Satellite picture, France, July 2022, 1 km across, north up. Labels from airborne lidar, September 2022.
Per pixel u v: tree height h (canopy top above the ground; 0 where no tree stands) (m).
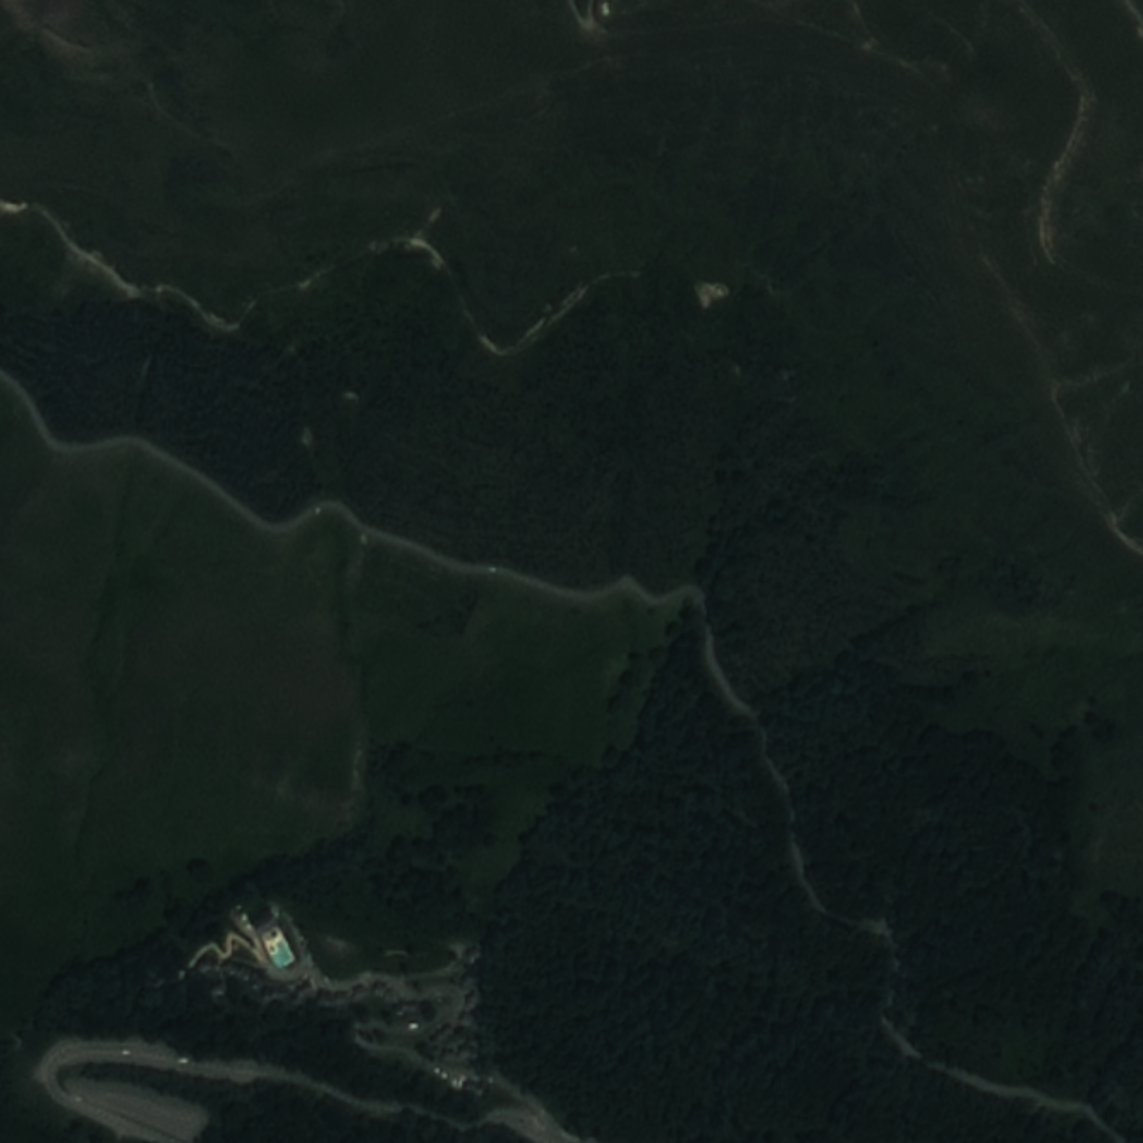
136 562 0
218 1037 21
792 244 0
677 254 0
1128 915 16
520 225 0
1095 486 0
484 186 0
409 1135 27
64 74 0
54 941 0
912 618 8
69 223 0
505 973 25
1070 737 10
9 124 0
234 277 0
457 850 22
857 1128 16
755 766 24
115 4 0
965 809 21
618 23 0
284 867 9
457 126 0
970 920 26
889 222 0
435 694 0
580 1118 28
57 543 0
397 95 0
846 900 18
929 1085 25
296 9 0
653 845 26
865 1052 16
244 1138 22
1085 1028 15
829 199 0
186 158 0
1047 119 0
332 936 0
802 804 22
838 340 0
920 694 13
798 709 19
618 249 0
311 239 0
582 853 22
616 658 0
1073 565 0
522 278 0
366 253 0
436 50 0
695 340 0
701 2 0
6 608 0
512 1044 27
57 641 0
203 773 0
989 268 0
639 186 0
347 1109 11
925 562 0
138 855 0
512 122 0
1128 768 0
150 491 0
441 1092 15
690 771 10
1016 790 20
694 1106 28
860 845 24
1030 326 0
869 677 19
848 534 0
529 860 11
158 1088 9
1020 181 0
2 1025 0
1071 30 0
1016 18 0
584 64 0
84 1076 7
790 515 12
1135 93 0
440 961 0
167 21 0
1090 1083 5
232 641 0
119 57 0
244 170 0
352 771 0
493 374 0
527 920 24
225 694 0
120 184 0
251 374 7
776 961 21
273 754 0
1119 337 0
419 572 0
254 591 0
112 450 0
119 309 7
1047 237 0
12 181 0
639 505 0
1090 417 0
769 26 0
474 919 10
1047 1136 16
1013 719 0
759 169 0
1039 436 0
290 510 11
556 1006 26
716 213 0
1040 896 25
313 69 0
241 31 0
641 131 0
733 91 0
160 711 0
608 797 8
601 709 0
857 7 0
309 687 0
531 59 0
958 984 16
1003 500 0
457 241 0
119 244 0
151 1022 24
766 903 16
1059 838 15
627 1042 23
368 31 0
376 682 0
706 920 25
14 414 0
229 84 0
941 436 0
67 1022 9
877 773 23
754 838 27
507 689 0
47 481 0
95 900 0
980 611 0
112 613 0
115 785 0
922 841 24
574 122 0
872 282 0
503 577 0
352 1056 21
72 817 0
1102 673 0
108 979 19
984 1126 25
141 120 0
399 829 0
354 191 0
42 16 0
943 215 0
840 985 27
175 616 0
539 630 0
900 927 20
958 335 0
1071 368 0
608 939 19
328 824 0
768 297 0
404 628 0
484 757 8
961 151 0
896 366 0
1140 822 0
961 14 0
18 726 0
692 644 10
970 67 0
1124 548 0
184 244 0
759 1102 24
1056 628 0
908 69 0
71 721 0
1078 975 7
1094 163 0
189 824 0
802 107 0
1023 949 22
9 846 0
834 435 0
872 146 0
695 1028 8
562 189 0
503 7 0
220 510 0
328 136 0
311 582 0
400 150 0
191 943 11
